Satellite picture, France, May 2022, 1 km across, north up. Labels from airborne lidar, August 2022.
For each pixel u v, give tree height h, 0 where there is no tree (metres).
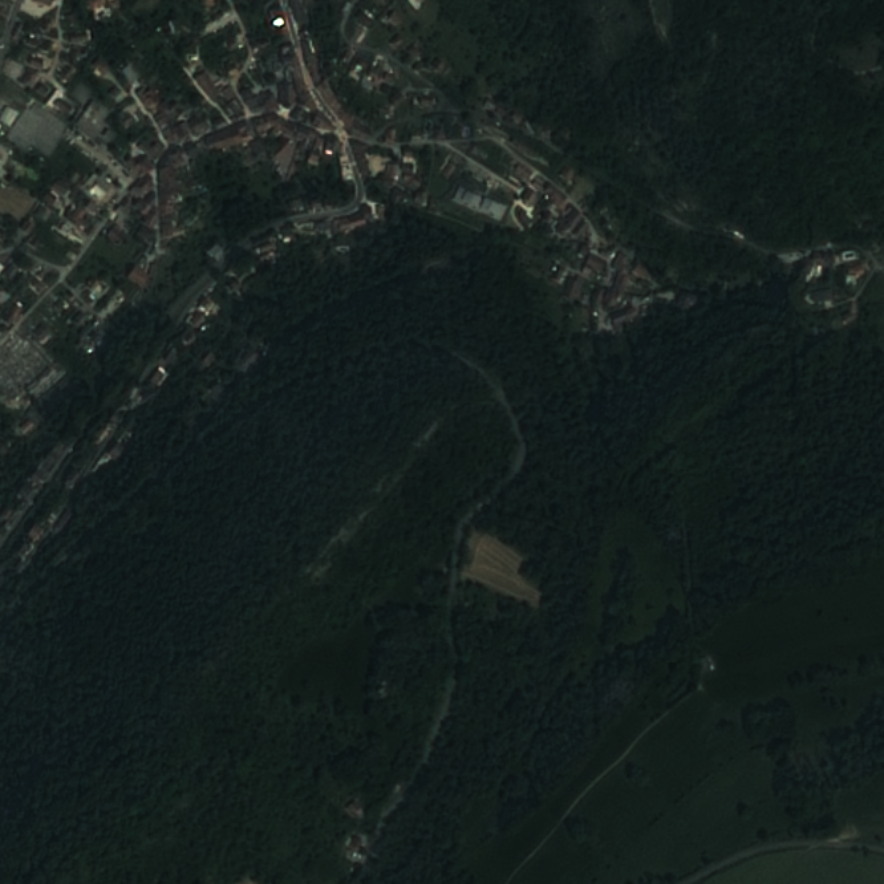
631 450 19
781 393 20
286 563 11
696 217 5
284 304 12
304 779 9
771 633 0
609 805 0
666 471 6
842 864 0
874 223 10
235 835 11
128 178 0
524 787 0
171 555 22
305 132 0
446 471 10
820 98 9
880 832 0
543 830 0
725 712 0
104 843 10
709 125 15
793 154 14
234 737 25
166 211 0
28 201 0
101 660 21
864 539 18
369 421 16
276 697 13
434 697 11
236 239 10
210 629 21
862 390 10
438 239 17
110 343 17
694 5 14
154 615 17
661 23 0
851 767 24
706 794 0
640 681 17
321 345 22
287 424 18
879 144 11
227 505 19
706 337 19
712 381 10
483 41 7
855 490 22
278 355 22
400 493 6
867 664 21
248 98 0
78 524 8
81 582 20
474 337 19
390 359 15
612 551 0
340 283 12
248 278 6
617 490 8
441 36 7
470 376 19
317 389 21
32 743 24
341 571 9
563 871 0
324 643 0
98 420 13
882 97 11
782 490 18
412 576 0
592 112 11
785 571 17
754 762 0
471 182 0
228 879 10
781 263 14
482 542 0
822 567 17
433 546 14
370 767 17
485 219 0
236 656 10
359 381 17
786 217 14
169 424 16
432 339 21
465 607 7
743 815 13
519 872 0
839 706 8
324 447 18
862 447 11
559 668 22
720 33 8
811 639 0
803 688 16
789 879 0
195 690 10
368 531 6
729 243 15
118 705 19
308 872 18
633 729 0
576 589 24
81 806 25
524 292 15
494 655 23
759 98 24
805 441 14
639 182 12
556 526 27
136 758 20
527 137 9
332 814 7
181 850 12
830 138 15
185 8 7
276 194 9
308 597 6
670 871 0
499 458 17
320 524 11
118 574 18
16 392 0
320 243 7
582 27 7
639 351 16
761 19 15
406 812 27
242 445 21
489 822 0
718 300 8
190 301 0
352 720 8
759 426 25
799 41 16
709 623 13
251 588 16
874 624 0
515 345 16
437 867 16
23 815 21
